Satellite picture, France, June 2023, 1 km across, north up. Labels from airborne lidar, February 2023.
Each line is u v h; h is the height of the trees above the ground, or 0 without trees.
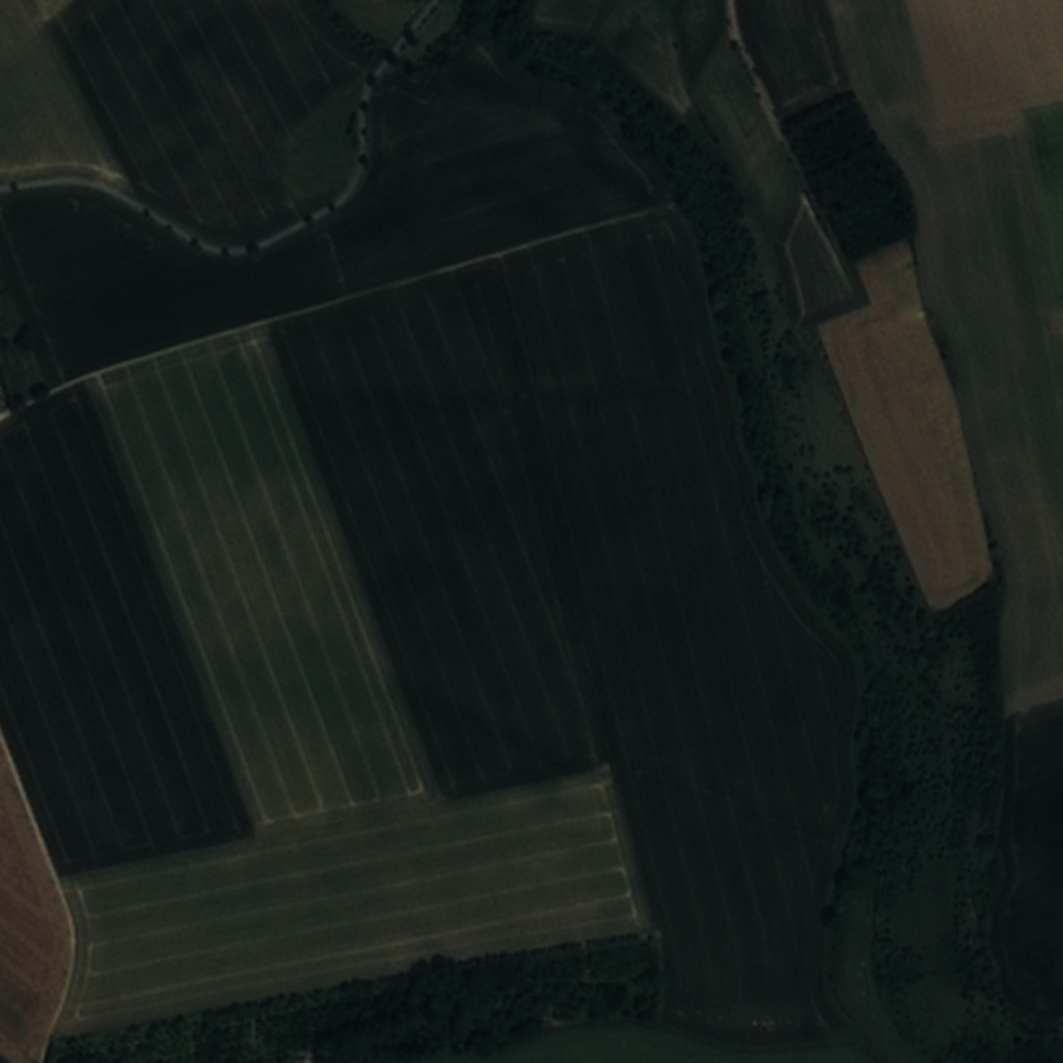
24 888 0
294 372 0
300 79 0
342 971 0
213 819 0
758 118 0
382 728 0
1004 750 0
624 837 0
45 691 0
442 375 0
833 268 0
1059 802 0
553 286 0
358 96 0
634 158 0
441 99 0
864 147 15
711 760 0
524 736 0
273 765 0
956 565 0
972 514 0
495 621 0
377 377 0
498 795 0
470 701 0
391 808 0
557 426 0
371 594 0
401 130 0
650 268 0
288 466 0
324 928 0
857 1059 0
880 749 7
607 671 0
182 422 0
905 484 0
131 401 0
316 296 0
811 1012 0
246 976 0
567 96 0
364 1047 29
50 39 0
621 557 0
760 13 0
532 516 0
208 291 0
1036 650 0
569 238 0
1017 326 0
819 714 0
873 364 0
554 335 0
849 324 0
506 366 0
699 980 0
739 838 0
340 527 0
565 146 0
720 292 15
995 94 0
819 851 0
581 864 0
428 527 0
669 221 0
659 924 0
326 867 0
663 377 0
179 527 0
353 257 0
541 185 0
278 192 0
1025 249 0
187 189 0
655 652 0
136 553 0
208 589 0
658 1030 0
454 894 0
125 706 0
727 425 0
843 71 0
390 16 0
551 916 0
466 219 0
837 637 0
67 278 0
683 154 12
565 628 0
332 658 0
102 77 0
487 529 0
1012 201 0
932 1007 0
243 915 0
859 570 0
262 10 0
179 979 0
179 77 0
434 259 0
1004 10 0
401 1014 24
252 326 0
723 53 0
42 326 0
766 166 0
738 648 0
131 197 0
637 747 0
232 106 0
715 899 0
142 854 0
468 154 0
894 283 0
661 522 0
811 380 0
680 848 0
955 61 0
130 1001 0
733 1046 0
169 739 0
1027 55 0
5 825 0
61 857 0
